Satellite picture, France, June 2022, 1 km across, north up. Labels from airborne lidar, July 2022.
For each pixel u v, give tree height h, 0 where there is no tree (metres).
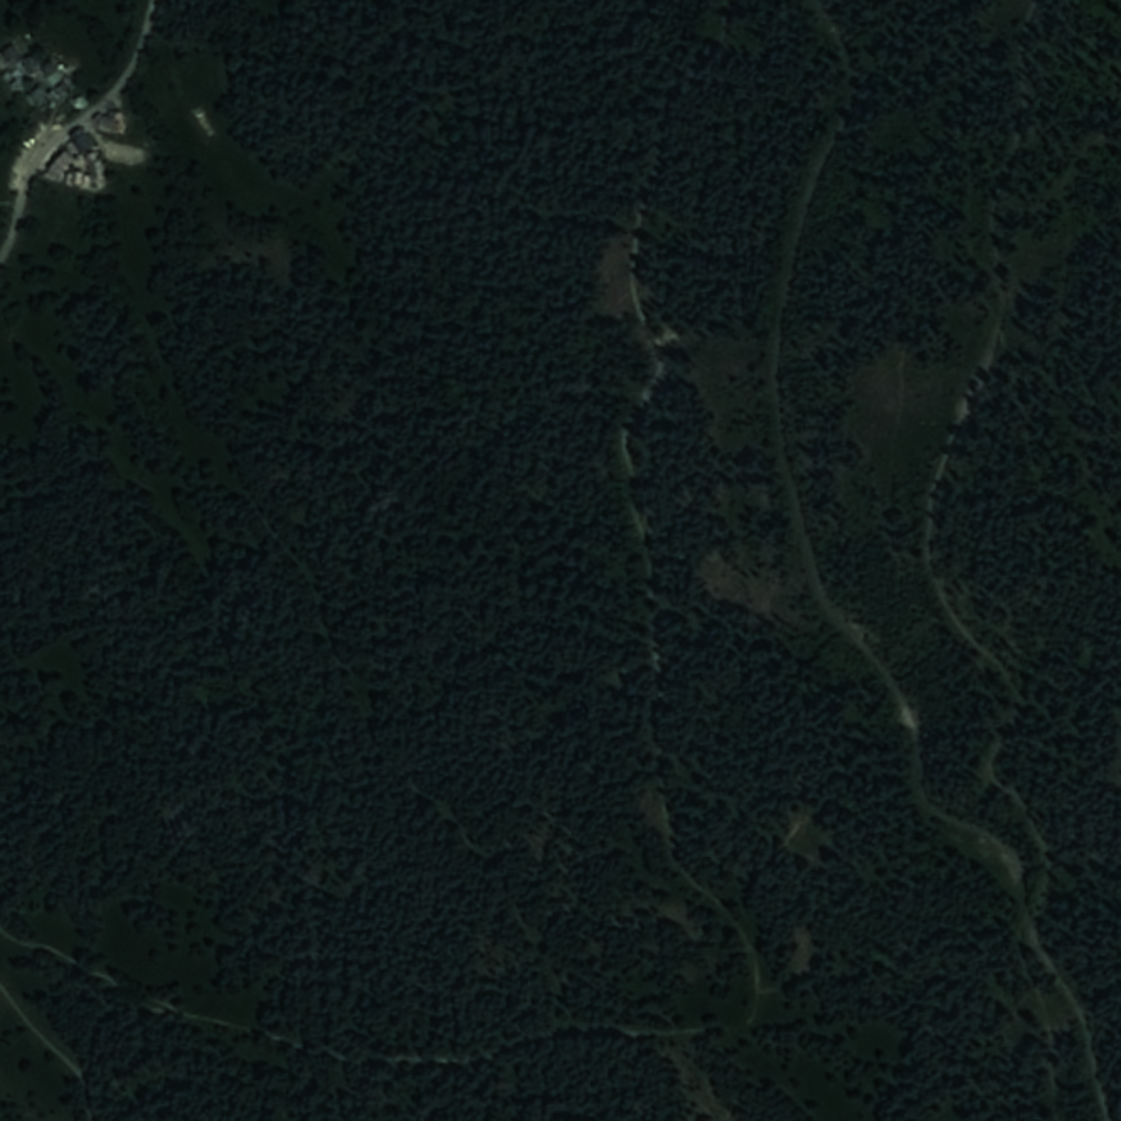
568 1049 25
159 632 33
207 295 19
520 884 22
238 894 20
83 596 20
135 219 0
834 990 23
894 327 28
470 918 26
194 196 7
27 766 13
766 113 11
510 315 14
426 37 12
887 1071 20
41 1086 0
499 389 13
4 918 21
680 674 12
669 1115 8
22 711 12
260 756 33
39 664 0
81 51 0
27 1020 0
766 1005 0
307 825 26
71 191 0
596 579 23
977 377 0
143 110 16
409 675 27
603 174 26
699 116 19
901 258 28
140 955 0
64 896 18
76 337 19
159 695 18
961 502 27
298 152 13
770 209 29
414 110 34
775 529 25
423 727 25
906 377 0
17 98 9
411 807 25
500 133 25
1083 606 17
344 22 34
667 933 21
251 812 32
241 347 19
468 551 16
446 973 29
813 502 7
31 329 0
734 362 0
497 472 34
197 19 26
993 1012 26
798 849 0
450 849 30
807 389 8
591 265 33
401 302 33
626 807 25
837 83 34
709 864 29
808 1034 8
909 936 19
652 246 25
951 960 25
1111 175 10
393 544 13
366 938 27
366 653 28
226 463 0
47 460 21
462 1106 19
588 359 14
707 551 16
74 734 16
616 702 31
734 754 26
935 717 15
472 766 26
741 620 28
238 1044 8
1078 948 26
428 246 27
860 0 21
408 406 12
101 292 15
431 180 26
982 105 31
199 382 22
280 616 28
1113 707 28
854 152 6
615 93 23
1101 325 24
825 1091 0
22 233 12
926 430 0
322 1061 24
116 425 16
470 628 25
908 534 14
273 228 16
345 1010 28
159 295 14
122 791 16
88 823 16
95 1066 19
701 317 27
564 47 31
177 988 11
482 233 28
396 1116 23
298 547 14
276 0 0
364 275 8
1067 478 30
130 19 12
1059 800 25
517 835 13
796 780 25
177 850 22
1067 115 9
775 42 25
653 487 22
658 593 28
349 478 30
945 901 23
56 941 0
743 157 12
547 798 23
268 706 23
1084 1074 12
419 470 11
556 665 28
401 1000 29
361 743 22
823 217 8
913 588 10
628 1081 23
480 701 25
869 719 14
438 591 33
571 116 14
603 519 8
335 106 26
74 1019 20
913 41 26
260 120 25
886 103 25
